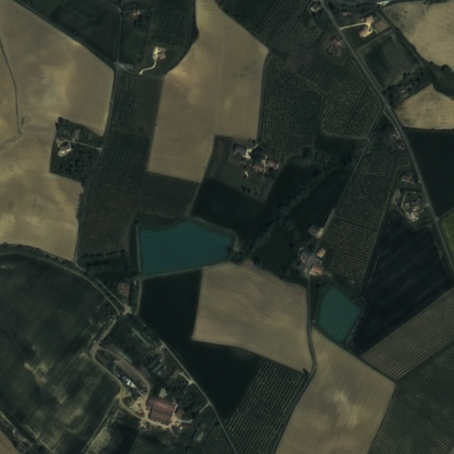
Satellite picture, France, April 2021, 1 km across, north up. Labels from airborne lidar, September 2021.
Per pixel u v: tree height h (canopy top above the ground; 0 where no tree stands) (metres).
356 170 0
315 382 0
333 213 0
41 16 0
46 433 0
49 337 0
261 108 0
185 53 0
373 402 0
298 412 0
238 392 0
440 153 0
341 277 0
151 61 0
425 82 0
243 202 0
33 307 0
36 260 0
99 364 0
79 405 0
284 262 0
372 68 0
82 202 16
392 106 17
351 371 0
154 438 0
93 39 0
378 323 0
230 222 0
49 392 0
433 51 0
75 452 0
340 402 0
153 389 0
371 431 0
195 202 0
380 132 11
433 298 0
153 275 0
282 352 0
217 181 0
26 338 0
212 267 0
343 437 0
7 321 0
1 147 0
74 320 0
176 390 13
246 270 0
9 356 0
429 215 0
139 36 0
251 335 0
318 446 0
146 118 0
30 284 0
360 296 0
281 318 0
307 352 0
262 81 0
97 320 0
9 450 0
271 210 0
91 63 0
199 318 0
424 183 0
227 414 0
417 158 0
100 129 0
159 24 5
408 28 0
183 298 0
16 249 11
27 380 0
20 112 0
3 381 0
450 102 0
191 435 0
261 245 17
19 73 0
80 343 0
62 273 0
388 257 0
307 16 0
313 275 0
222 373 0
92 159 9
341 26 0
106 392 0
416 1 0
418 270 0
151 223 0
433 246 0
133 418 0
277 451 0
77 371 0
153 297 0
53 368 0
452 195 0
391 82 0
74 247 0
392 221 0
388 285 0
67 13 0
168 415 0
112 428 0
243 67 0
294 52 0
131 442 0
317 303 0
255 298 0
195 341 0
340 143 0
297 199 15
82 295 0
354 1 0
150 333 16
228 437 0
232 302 0
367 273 0
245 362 0
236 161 0
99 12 0
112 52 0
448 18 0
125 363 0
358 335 0
